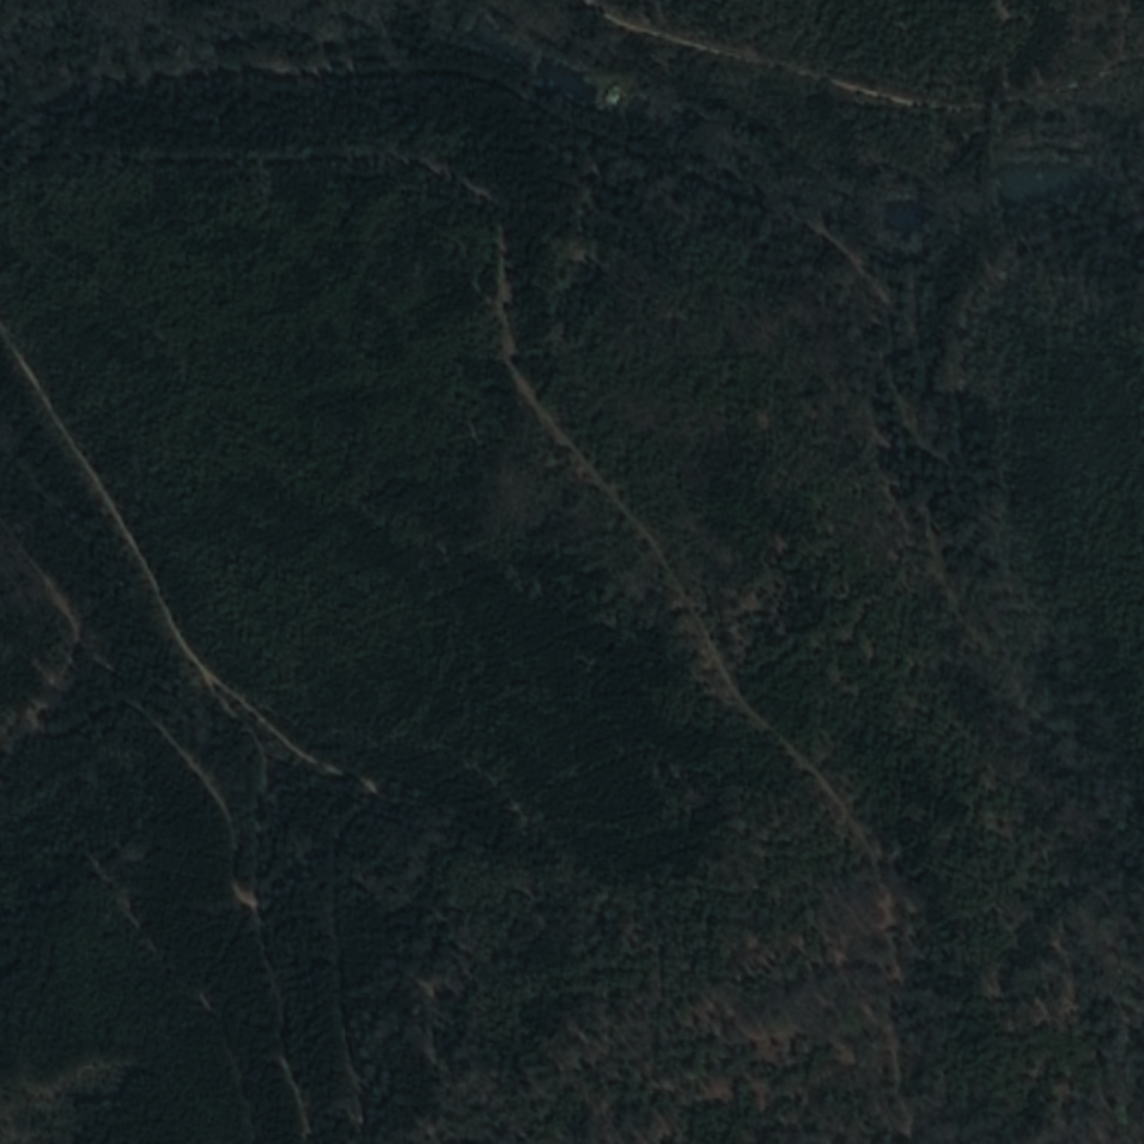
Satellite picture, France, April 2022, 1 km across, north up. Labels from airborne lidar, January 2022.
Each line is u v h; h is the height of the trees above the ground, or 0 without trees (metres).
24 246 14
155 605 18
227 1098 21
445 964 22
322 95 14
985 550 27
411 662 11
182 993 22
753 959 12
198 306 13
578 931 9
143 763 18
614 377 13
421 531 13
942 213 23
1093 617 14
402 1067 25
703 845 11
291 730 12
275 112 18
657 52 12
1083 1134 34
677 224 10
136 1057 18
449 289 15
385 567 10
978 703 10
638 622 8
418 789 12
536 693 15
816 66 8
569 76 0
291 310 12
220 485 12
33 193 15
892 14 10
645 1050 27
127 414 11
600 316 14
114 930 20
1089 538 15
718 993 25
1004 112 10
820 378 16
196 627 8
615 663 14
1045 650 10
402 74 15
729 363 15
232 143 15
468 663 14
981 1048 14
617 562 11
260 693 8
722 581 9
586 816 12
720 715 11
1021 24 9
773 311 12
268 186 19
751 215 26
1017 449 12
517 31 21
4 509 20
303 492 12
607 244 16
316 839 21
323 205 13
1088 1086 14
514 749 11
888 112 9
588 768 9
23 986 26
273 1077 25
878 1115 27
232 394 13
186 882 22
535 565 15
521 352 10
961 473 23
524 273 16
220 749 12
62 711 20
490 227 10
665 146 22
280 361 12
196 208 13
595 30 20
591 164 25
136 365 11
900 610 15
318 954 27
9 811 14
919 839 13
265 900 17
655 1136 25
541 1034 16
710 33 11
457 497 16
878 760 12
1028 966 12
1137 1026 30
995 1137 9
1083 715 12
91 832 14
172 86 17
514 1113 14
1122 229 22
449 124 13
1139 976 32
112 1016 20
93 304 10
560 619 12
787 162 22
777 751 10
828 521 14
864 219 20
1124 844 20
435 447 11
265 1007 22
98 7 23
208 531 9
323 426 13
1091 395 11
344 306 12
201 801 25
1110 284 25
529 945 10
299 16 17
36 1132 9
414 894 14
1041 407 10
